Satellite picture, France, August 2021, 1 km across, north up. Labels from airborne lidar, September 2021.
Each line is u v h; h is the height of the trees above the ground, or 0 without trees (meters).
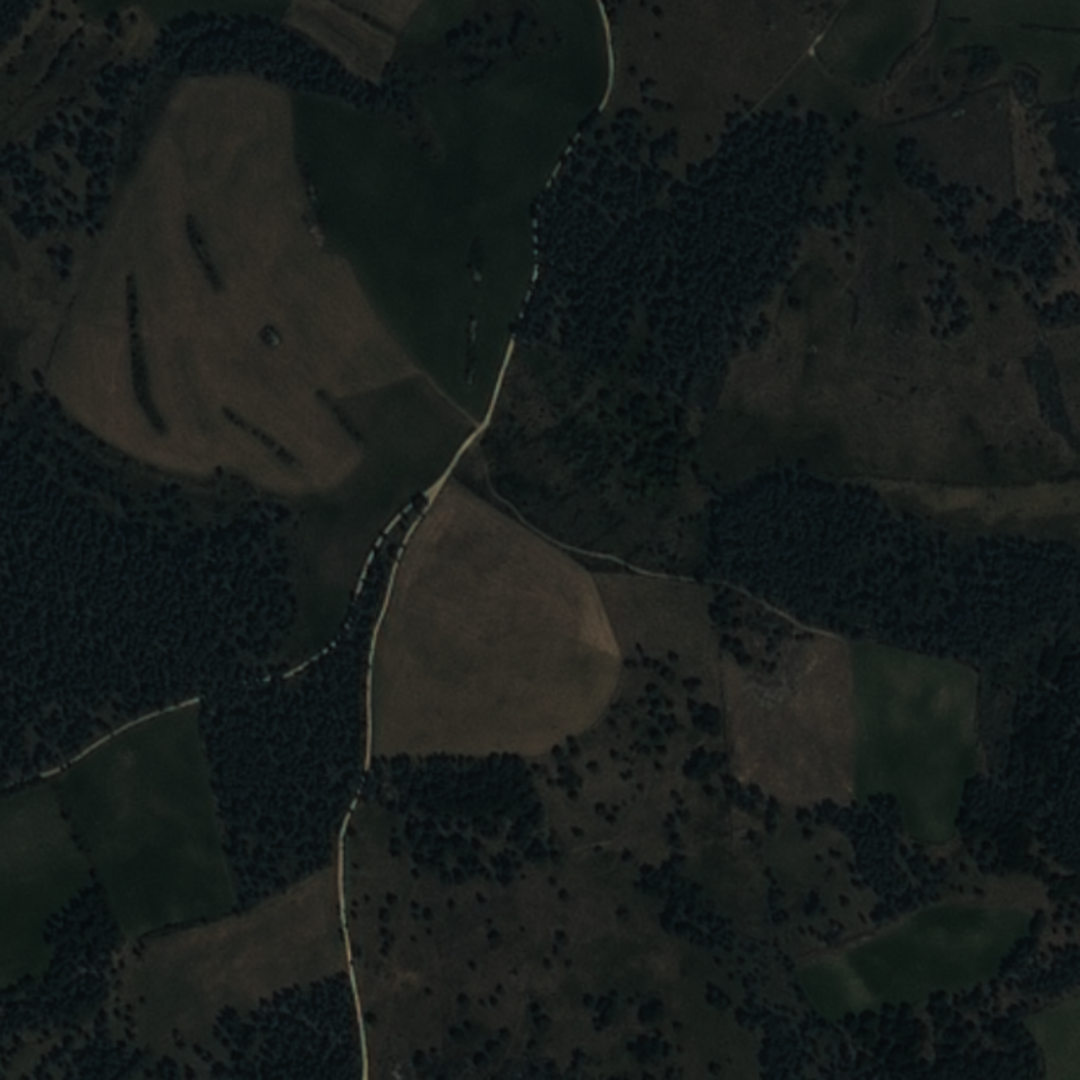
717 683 0
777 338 0
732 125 9
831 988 0
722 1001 18
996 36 0
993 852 11
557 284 15
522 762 11
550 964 9
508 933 0
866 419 0
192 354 0
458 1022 0
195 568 19
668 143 12
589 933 0
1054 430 0
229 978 0
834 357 0
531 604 0
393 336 0
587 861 0
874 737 0
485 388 0
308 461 0
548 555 0
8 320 0
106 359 0
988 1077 13
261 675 12
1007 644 13
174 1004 0
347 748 14
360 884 0
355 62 0
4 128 0
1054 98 0
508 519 0
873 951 0
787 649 0
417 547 0
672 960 0
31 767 15
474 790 14
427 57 0
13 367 0
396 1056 0
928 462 0
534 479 0
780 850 0
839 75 0
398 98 10
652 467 12
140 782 0
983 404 0
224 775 16
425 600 0
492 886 9
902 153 12
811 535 20
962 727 0
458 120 0
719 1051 0
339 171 0
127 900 0
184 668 15
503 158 0
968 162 0
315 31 0
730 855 0
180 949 0
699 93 0
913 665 0
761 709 0
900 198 0
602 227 15
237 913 13
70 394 0
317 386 0
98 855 0
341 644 12
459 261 0
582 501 0
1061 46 0
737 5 0
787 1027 10
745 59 0
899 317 0
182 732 0
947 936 0
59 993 16
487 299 0
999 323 0
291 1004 12
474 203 0
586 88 0
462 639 0
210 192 0
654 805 0
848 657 0
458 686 0
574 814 0
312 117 0
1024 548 13
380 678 0
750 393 0
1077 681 25
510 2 0
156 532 6
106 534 10
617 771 0
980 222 0
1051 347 0
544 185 0
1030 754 13
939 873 12
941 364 0
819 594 18
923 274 0
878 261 0
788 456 0
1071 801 14
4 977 0
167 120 0
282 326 0
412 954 0
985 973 0
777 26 0
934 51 0
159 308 0
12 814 0
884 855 13
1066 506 0
